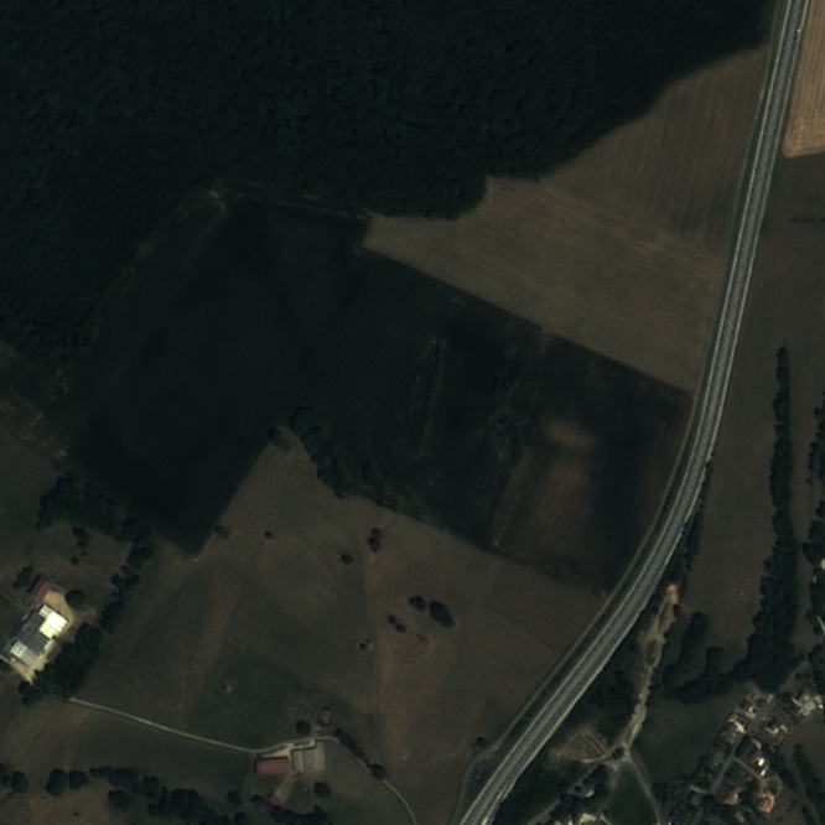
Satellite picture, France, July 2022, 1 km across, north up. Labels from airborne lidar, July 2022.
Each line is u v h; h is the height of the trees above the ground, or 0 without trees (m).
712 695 17
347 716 0
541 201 0
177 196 15
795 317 0
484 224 0
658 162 0
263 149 24
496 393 12
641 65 16
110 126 20
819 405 0
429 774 0
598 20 17
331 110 27
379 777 14
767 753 13
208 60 27
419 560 0
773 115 0
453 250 0
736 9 15
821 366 0
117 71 28
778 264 0
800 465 0
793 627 13
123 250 16
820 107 0
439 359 11
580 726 0
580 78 27
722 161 0
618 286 0
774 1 0
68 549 0
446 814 0
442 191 25
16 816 0
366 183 22
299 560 0
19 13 27
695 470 0
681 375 0
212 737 0
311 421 14
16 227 16
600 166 0
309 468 0
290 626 0
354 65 27
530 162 23
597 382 0
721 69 0
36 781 0
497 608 0
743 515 0
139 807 0
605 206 0
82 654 22
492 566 0
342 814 0
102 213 16
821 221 0
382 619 0
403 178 23
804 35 0
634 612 0
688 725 0
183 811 17
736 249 0
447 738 0
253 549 0
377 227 0
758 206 0
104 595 0
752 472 0
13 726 0
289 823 13
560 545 0
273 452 0
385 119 26
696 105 0
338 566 0
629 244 0
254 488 0
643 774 0
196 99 26
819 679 13
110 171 16
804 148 0
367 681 0
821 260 0
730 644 0
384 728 0
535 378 0
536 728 0
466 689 0
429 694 0
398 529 0
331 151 25
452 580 0
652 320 0
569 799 14
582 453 0
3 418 0
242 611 0
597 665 0
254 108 22
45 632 0
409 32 26
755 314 0
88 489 14
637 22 17
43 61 28
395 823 0
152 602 0
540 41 27
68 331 6
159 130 15
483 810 0
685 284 0
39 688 19
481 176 22
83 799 0
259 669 0
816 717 0
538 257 0
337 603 0
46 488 0
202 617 0
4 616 0
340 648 0
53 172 20
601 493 0
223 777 0
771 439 0
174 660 0
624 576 0
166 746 0
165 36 25
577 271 0
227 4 26
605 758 0
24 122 23
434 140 25
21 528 0
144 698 0
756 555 0
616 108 14
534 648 0
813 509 0
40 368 18
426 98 26
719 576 0
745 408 0
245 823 17
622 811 0
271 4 24
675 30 13
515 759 0
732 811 17
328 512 0
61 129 23
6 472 0
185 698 0
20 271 20
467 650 0
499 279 0
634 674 0
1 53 26
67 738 0
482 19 25
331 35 25
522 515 0
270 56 22
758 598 0
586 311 0
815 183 0
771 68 0
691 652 17
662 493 0
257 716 0
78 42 27
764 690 14
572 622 0
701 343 0
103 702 0
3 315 11
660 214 0
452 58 25
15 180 26
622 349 0
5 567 0
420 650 0
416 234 0
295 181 23
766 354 0
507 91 24
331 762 0
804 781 5
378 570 0
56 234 17
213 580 0
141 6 26
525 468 0
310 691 0
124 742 0
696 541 15
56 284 17
